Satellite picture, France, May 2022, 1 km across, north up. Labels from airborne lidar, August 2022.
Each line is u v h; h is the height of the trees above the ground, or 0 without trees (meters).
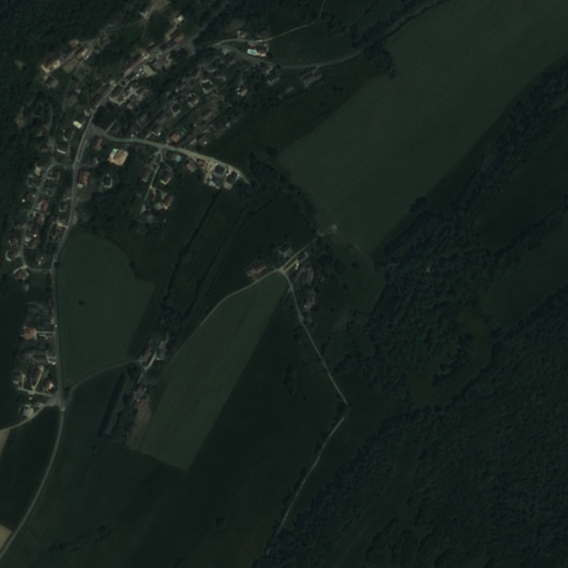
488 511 14
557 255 0
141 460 0
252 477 0
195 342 0
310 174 0
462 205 8
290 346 0
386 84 0
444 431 19
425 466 14
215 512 0
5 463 0
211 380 0
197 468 0
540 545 26
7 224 11
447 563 19
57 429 0
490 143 0
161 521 0
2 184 19
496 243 0
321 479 0
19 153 14
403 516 0
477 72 0
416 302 19
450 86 0
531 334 21
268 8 26
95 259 0
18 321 0
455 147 0
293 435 0
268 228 0
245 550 0
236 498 0
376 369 25
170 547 0
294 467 0
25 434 0
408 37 0
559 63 0
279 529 13
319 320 0
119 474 0
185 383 0
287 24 0
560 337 13
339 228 0
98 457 0
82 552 0
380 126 0
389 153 0
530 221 0
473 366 0
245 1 29
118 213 9
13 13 14
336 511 21
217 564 0
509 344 23
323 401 0
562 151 0
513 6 0
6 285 11
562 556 16
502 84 0
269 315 0
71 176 0
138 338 0
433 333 19
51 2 8
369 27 0
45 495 0
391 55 15
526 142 12
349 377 0
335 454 0
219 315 0
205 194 0
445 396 0
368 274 0
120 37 6
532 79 0
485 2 0
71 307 0
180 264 8
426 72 0
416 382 0
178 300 0
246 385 0
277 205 0
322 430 0
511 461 12
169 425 0
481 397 17
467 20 0
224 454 0
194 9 9
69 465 0
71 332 0
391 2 0
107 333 0
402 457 0
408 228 0
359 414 0
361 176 0
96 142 0
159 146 0
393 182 0
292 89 0
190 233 0
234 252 0
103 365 0
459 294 18
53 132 9
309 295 0
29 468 0
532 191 0
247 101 6
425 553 22
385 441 20
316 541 14
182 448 0
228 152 0
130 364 7
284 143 0
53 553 8
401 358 23
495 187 10
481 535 20
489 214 0
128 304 0
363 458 23
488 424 8
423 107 0
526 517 16
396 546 10
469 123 0
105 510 0
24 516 0
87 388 0
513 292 0
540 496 8
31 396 0
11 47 19
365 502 12
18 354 8
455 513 18
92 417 0
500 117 0
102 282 0
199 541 0
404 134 0
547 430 8
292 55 0
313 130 0
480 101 0
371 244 0
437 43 0
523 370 20
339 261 14
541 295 0
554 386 7
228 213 0
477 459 19
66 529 0
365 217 0
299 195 11
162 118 0
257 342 0
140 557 0
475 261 20
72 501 0
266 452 0
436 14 0
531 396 19
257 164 20
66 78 0
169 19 0
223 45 0
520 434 14
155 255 0
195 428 0
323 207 0
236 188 13
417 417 21
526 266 0
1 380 0
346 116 0
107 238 0
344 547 0
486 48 0
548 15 0
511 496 18
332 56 0
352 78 0
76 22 20
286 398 0
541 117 16
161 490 0
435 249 9
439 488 6
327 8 0
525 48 0
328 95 0
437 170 0
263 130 0
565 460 11
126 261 0
